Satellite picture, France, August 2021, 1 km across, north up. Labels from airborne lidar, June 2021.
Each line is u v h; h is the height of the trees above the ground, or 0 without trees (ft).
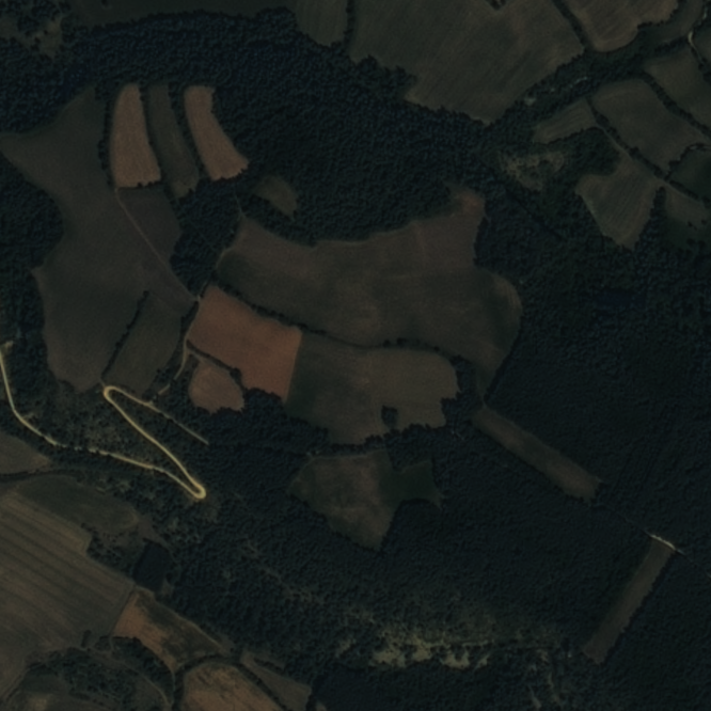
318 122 68
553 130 0
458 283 0
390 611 42
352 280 0
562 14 27
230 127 34
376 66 62
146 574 59
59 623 0
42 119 35
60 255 0
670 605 43
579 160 23
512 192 28
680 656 38
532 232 39
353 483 0
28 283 34
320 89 68
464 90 0
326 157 44
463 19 0
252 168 32
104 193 0
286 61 47
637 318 45
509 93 0
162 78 27
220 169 0
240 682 0
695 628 42
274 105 49
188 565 26
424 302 0
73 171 0
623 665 44
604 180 0
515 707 54
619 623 0
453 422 59
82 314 0
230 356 0
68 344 0
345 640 43
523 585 55
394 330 0
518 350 42
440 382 0
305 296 0
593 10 0
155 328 0
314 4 0
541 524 53
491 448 46
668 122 0
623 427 54
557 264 49
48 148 0
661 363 61
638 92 0
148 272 0
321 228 37
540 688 39
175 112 22
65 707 0
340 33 0
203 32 56
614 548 49
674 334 45
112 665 0
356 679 70
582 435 49
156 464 39
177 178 0
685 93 0
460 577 59
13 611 0
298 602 39
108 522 0
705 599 41
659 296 72
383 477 0
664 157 0
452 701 29
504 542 59
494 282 0
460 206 0
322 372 0
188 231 48
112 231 0
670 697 34
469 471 64
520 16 0
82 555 0
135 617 0
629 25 0
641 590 0
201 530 47
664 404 46
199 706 0
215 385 0
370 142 43
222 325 0
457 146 40
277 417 51
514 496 61
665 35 0
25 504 0
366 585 34
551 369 52
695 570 49
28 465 0
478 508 47
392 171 54
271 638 69
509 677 33
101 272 0
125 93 0
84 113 0
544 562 52
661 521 49
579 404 56
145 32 32
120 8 0
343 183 28
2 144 0
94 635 0
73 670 30
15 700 0
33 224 59
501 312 0
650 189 0
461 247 0
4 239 53
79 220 0
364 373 0
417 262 0
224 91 56
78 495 0
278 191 0
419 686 21
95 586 0
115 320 0
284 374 0
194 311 20
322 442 43
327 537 51
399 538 59
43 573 0
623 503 39
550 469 0
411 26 0
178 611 25
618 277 50
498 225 64
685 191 26
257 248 0
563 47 0
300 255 0
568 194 31
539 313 47
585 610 52
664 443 49
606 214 0
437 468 58
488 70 0
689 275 45
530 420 56
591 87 31
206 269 57
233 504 37
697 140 0
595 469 54
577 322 44
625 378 62
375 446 24
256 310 26
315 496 0
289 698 0
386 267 0
